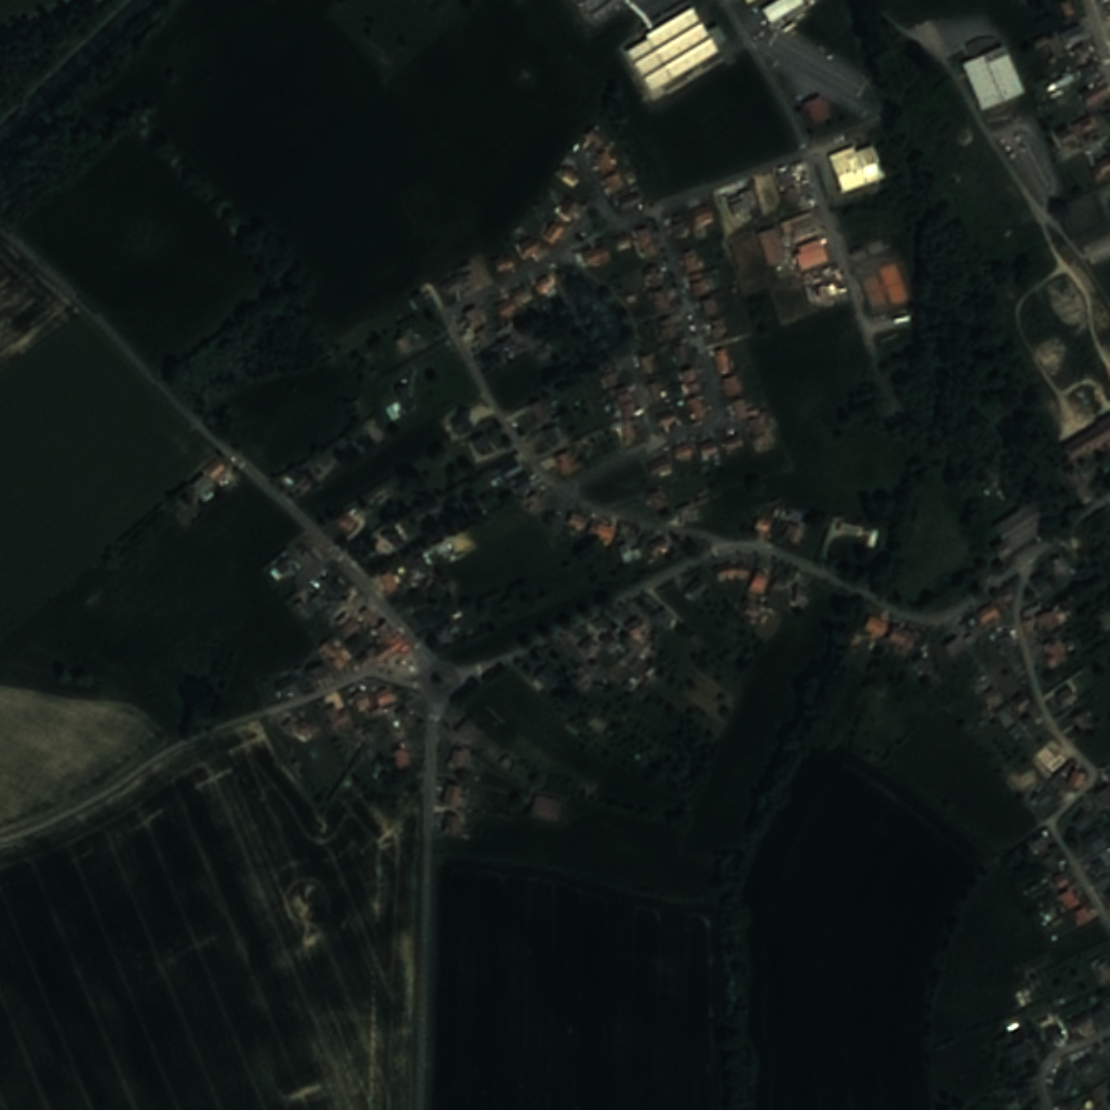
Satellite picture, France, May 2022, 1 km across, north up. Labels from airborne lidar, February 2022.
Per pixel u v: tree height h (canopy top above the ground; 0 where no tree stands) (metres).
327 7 0
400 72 0
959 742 0
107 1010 0
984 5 0
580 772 0
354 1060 0
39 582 0
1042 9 14
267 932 0
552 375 16
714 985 0
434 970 0
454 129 0
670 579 0
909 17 0
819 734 26
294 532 0
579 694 15
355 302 0
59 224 0
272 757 0
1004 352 27
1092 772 0
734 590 0
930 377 20
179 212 0
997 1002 0
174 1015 0
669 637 0
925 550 0
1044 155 0
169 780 0
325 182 0
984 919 0
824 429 0
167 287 0
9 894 0
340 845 0
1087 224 0
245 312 15
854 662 0
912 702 0
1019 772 0
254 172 0
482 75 0
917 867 0
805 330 0
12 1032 0
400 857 0
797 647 0
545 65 0
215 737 0
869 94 0
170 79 7
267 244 18
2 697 0
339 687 0
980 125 0
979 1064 0
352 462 17
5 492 0
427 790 0
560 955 0
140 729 0
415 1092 0
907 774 0
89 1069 0
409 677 0
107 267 0
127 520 0
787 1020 0
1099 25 0
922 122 0
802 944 0
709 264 0
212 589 0
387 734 0
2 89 25
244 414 0
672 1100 0
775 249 0
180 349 0
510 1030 0
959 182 0
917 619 0
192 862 0
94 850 0
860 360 0
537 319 20
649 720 0
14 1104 0
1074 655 7
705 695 0
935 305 23
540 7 0
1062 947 0
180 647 0
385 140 0
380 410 0
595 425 0
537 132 0
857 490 0
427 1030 0
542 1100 0
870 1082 0
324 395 0
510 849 0
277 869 0
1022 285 20
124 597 0
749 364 0
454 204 0
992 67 0
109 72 16
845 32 0
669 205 0
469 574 0
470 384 0
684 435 0
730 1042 21
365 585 0
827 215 0
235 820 0
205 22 0
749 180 0
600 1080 0
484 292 0
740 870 18
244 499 0
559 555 0
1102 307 0
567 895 0
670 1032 0
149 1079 0
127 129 14
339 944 0
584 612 16
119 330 0
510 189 0
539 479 0
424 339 0
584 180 0
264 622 0
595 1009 0
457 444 0
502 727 0
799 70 0
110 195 0
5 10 0
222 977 0
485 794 0
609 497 0
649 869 0
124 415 0
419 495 9
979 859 0
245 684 0
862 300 0
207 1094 0
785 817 0
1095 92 0
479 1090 0
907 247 0
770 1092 0
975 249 15
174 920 0
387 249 0
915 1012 0
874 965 0
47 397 0
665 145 0
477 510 18
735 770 0
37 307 0
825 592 0
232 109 0
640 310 0
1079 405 0
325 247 0
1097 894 0
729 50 0
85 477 0
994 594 8
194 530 0
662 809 0
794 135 0
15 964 0
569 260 0
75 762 0
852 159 0
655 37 0
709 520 0
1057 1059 0
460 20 0
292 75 0
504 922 0
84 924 0
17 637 0
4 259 0
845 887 0
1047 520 18
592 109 0
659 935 0
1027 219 0
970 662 0
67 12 20
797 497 0
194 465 0
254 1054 0
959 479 22
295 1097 0
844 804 0
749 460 0
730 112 0
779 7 0
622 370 0
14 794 0
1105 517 6
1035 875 10
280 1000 0
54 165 25
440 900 0
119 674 0
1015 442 31
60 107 24
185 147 0
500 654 0
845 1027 0
